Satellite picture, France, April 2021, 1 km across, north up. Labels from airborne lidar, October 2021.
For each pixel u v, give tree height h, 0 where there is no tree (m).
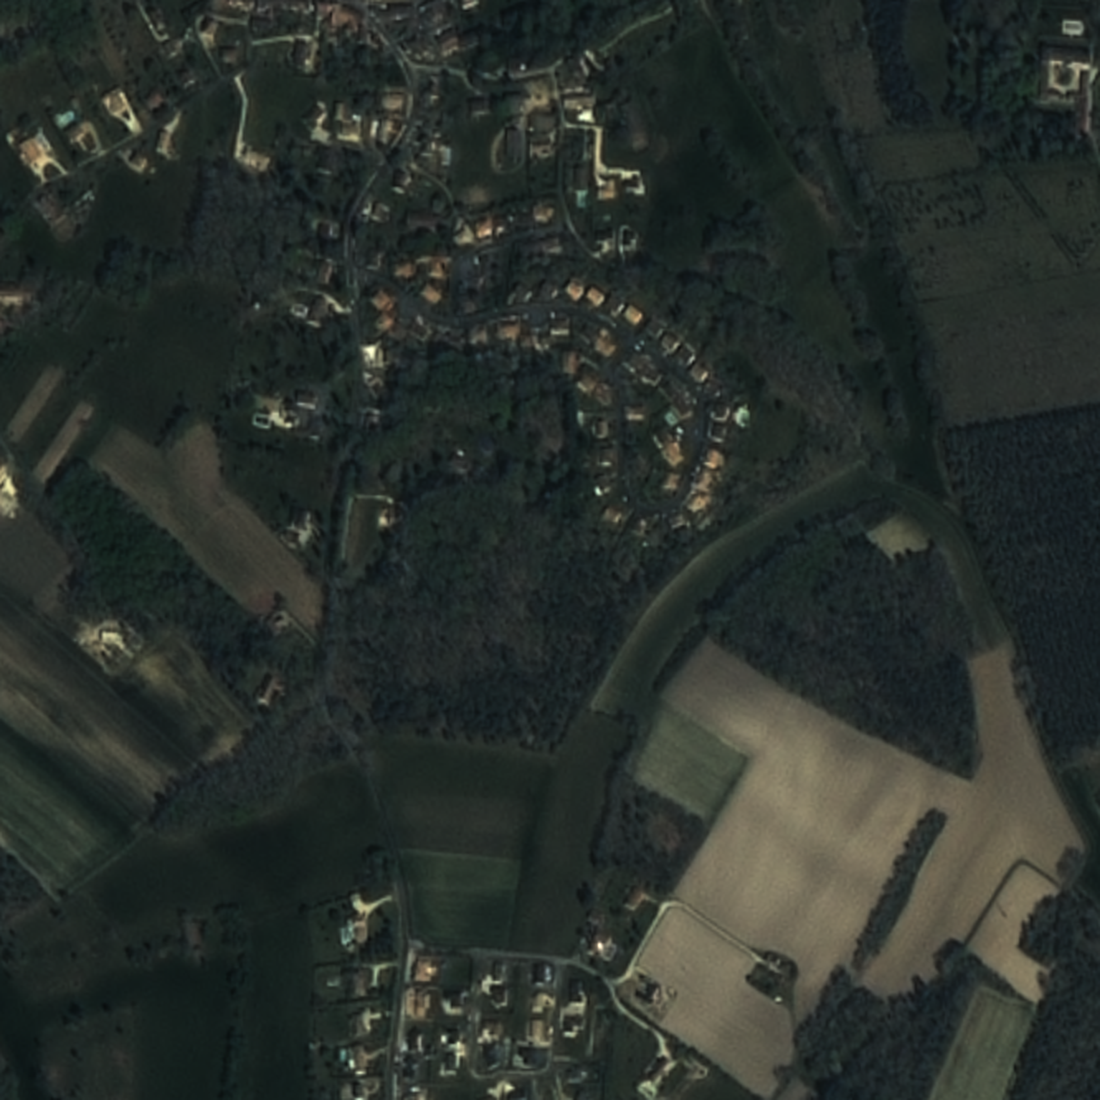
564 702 11
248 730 0
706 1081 0
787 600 22
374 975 0
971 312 0
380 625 25
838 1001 19
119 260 22
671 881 12
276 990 0
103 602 24
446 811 0
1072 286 0
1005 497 11
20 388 0
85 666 0
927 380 13
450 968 0
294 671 20
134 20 15
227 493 0
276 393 10
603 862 14
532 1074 0
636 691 0
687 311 19
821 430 12
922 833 11
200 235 24
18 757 0
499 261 9
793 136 13
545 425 21
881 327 0
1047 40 0
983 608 0
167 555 19
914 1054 13
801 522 0
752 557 0
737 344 18
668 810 12
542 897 0
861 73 0
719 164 7
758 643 22
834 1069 18
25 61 16
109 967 0
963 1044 0
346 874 0
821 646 18
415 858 0
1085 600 9
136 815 0
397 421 26
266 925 0
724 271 20
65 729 0
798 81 0
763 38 0
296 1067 0
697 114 0
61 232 0
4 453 14
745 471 0
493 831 0
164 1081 0
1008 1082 0
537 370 13
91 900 0
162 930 0
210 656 18
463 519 25
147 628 22
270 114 0
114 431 0
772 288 22
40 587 0
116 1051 0
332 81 8
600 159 0
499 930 0
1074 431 13
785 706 0
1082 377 0
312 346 15
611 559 10
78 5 25
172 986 0
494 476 0
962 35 14
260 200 24
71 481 18
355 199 6
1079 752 16
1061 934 12
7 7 25
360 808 0
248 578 0
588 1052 0
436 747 0
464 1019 0
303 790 0
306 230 13
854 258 6
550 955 0
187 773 0
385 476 9
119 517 18
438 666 21
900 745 16
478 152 0
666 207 0
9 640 0
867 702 20
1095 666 9
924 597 9
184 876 0
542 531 25
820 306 0
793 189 0
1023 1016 0
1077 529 13
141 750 0
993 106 17
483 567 22
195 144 0
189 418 16
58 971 0
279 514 7
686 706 0
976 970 16
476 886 0
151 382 0
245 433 0
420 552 24
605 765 0
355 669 23
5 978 0
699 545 15
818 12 0
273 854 0
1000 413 0
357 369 16
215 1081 0
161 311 0
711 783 0
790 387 21
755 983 8
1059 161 19
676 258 0
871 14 11
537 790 0
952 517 0
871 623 18
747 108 0
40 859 0
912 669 20
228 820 18
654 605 0
